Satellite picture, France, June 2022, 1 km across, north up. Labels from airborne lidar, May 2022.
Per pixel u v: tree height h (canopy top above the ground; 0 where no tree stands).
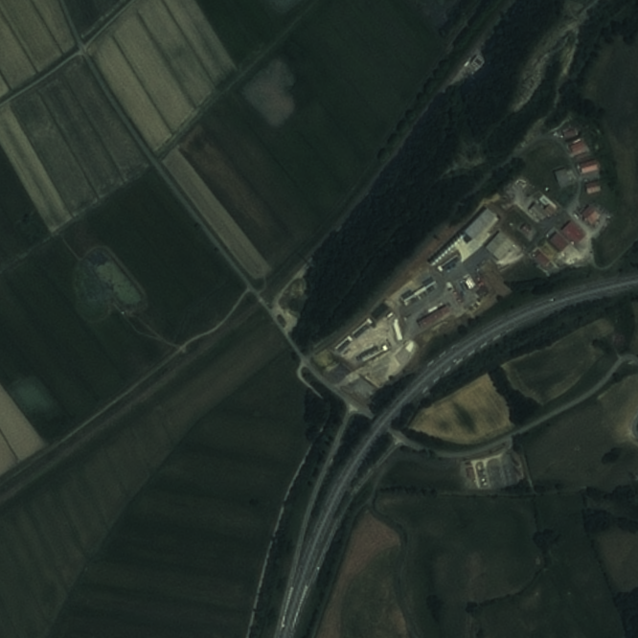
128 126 0
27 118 0
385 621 0
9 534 0
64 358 0
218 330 0
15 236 0
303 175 0
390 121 0
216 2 0
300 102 0
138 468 0
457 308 0
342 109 0
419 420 0
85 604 0
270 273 0
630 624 18
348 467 0
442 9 0
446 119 18
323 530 0
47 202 0
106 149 0
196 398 0
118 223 0
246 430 0
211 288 0
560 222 0
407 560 0
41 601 0
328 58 0
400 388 10
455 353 0
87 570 0
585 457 0
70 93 0
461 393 0
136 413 0
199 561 0
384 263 19
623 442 0
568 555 0
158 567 0
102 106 0
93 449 0
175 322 0
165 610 0
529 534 0
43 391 0
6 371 0
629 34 14
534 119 9
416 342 0
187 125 0
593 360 0
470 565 0
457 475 0
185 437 0
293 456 0
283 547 12
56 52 0
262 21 0
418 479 0
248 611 0
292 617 0
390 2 0
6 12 0
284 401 0
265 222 0
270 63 0
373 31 0
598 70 0
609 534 0
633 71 0
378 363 0
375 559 0
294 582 0
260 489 0
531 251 0
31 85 0
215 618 0
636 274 0
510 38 18
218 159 0
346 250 12
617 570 0
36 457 0
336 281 12
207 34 0
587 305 10
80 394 0
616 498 11
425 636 0
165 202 0
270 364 0
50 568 0
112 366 0
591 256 0
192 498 0
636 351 0
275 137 0
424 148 20
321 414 22
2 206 0
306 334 8
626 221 0
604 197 0
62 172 0
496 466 0
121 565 0
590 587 0
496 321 0
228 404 0
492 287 0
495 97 15
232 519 0
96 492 0
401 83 0
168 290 0
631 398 0
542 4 17
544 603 0
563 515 0
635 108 0
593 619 0
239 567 0
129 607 0
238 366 0
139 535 0
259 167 0
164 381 0
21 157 0
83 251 0
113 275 0
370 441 0
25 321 0
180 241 0
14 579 0
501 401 0
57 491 0
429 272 0
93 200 0
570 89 9
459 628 0
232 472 0
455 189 16
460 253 0
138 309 0
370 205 12
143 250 0
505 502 0
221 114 0
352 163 0
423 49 0
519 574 0
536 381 0
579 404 0
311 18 0
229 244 0
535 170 0
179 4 0
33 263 0
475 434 0
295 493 10
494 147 12
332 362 0
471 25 13
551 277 7
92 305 0
